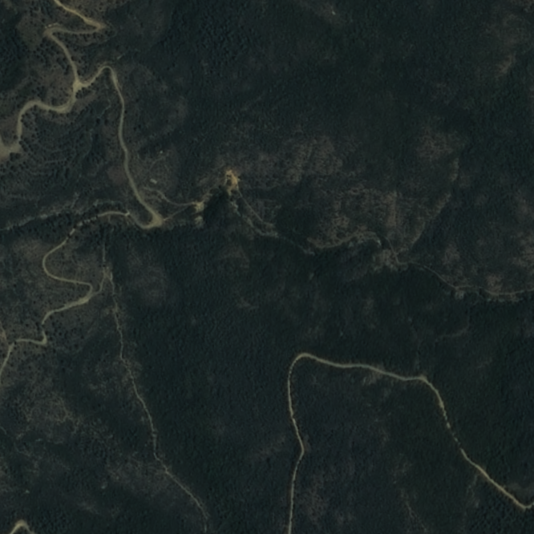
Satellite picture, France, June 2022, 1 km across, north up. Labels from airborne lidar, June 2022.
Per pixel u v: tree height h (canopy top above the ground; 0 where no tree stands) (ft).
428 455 38
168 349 26
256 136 24
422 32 29
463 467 25
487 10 18
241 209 19
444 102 30
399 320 22
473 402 23
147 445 21
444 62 29
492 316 42
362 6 23
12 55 37
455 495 18
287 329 18
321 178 19
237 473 23
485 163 20
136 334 43
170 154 0
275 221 21
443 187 19
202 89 27
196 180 18
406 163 19
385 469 19
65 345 28
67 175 43
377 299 21
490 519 25
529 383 23
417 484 22
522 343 34
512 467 18
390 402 22
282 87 30
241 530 38
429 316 22
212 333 22
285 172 17
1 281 0
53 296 0
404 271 22
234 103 20
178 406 27
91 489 35
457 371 18
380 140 24
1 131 0
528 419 20
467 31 20
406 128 22
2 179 31
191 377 39
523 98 29
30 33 0
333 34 40
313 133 21
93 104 26
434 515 22
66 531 23
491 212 21
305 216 32
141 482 0
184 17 42
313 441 25
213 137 21
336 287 27
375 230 20
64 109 0
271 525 21
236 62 22
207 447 23
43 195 30
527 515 31
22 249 0
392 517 18
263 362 19
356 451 22
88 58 30
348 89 19
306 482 21
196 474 21
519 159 32
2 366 0
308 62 22
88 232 58
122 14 28
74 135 33
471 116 31
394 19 23
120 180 0
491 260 21
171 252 30
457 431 43
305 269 30
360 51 22
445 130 22
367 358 19
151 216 0
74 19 0
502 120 20
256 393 23
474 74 20
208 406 26
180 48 32
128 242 19
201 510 27
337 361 18
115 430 18
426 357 18
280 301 17
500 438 44
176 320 28
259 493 22
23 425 31
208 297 19
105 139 22
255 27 25
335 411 20
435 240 24
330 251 27
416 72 28
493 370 24
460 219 21
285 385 24
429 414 25
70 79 0
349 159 29
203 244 23
